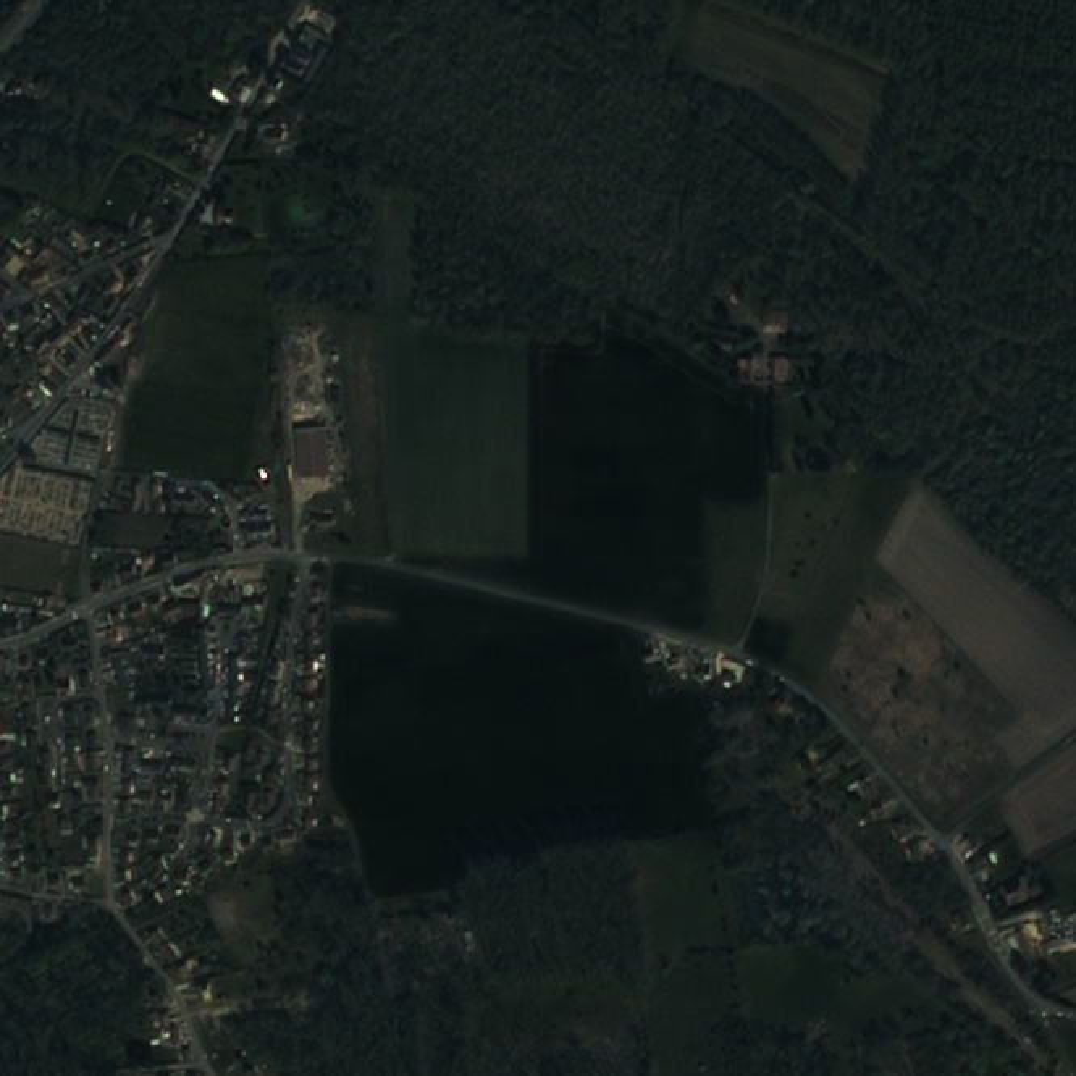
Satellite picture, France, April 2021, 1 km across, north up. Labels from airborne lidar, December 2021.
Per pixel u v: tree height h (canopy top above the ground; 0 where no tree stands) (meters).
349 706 0
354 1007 40
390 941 32
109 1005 14
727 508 0
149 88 7
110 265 0
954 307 33
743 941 8
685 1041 0
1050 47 21
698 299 8
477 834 0
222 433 0
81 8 16
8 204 12
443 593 0
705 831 0
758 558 0
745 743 32
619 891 43
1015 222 26
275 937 0
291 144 0
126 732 17
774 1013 0
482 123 8
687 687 0
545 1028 0
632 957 41
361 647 0
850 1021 0
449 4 22
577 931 43
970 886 0
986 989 6
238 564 0
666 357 0
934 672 0
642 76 8
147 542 0
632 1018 0
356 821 0
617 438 0
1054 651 0
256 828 0
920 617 0
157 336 0
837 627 0
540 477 0
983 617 0
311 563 0
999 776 0
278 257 6
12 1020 12
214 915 0
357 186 20
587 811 0
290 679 0
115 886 0
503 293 16
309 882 6
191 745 0
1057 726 0
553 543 0
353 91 8
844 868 33
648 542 0
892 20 32
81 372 0
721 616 0
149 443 0
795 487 0
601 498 0
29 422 0
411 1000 42
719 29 0
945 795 0
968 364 20
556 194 23
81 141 6
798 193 28
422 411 0
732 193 7
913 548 0
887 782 0
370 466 0
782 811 11
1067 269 32
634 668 0
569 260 21
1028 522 7
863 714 0
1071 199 23
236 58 12
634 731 0
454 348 0
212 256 7
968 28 23
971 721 0
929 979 27
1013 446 16
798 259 31
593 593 0
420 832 0
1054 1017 0
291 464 0
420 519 0
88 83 9
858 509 0
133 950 19
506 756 0
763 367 0
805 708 17
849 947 9
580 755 0
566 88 8
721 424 0
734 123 9
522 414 0
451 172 16
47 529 0
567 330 11
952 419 19
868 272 24
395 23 17
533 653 0
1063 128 7
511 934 39
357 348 0
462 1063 42
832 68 0
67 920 11
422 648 0
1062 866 0
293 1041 17
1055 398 9
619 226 23
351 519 0
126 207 0
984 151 27
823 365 21
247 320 0
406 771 0
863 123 0
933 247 22
